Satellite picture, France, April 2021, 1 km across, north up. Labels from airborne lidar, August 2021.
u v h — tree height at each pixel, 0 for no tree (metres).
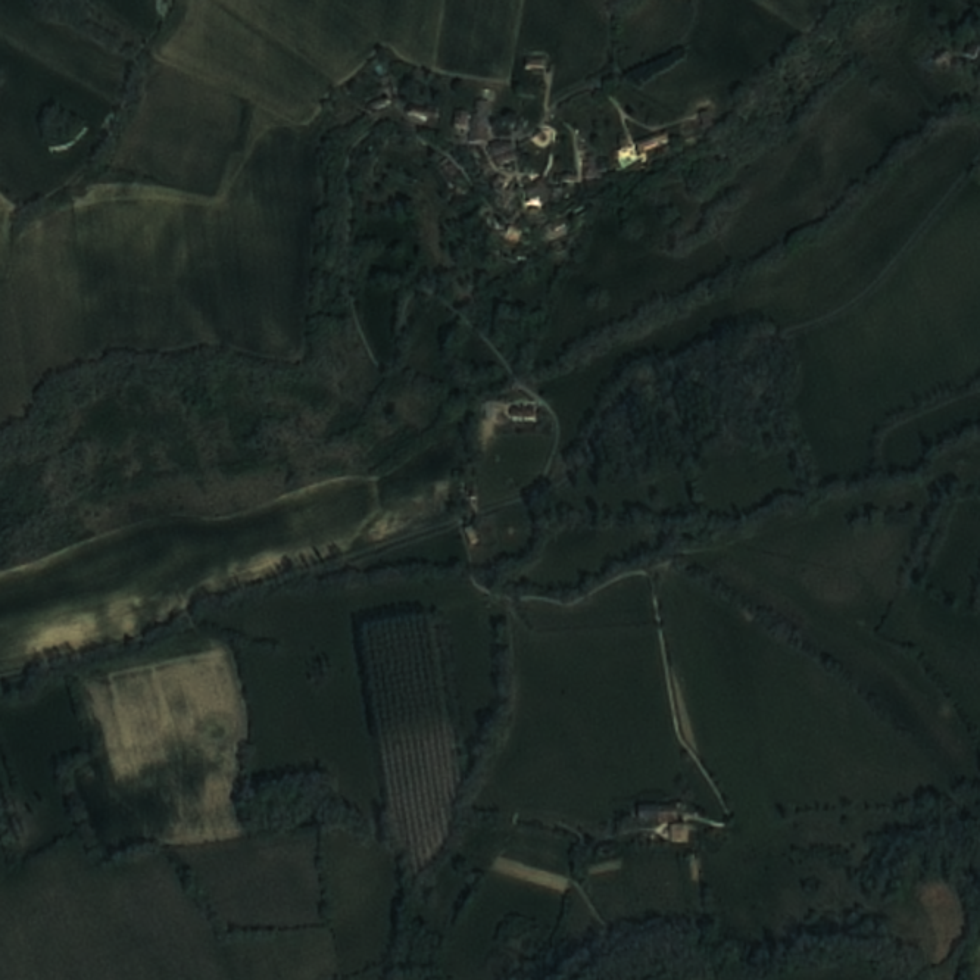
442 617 12
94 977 0
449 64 0
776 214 0
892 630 0
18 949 0
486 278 16
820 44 21
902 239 0
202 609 16
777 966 9
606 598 0
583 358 25
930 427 0
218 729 0
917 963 24
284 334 0
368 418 7
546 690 0
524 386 18
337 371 19
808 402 0
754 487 0
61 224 0
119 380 13
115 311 0
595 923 0
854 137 0
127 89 11
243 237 0
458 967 0
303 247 0
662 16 0
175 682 0
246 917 0
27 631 0
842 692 0
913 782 0
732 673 0
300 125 0
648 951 17
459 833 16
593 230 14
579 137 0
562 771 0
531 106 0
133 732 0
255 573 0
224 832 0
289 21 0
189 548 0
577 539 0
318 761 8
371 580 14
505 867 0
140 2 0
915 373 0
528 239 6
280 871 0
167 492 0
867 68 17
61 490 19
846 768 0
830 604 0
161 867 0
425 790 32
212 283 0
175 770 0
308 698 0
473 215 11
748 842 0
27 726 0
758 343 39
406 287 15
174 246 0
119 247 0
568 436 0
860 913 7
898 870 21
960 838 26
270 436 19
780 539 0
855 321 0
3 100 0
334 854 0
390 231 0
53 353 0
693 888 0
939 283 0
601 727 0
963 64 13
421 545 0
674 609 0
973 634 0
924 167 0
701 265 0
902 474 18
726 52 0
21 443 23
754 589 0
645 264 0
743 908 0
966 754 0
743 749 0
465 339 14
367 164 24
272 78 0
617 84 9
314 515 0
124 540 0
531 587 15
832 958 17
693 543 16
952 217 0
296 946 0
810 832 0
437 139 16
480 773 17
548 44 0
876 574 0
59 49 0
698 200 16
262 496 0
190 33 0
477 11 0
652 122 11
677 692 0
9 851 10
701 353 23
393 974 19
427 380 13
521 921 6
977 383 14
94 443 16
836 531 0
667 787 0
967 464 0
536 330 11
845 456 0
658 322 21
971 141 0
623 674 0
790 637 7
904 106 0
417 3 0
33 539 19
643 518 24
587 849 9
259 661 0
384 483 0
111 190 0
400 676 30
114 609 0
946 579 0
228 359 15
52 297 0
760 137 24
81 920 0
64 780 19
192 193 0
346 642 0
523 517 0
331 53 0
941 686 9
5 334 0
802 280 0
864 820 0
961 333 0
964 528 0
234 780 0
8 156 0
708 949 19
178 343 0
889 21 11
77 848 0
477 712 0
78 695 14
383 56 10
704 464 25
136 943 0
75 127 14
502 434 0
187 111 0
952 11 0
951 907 0
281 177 0
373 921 0
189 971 0
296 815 23
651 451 31
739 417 25
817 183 0
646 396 31
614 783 0
